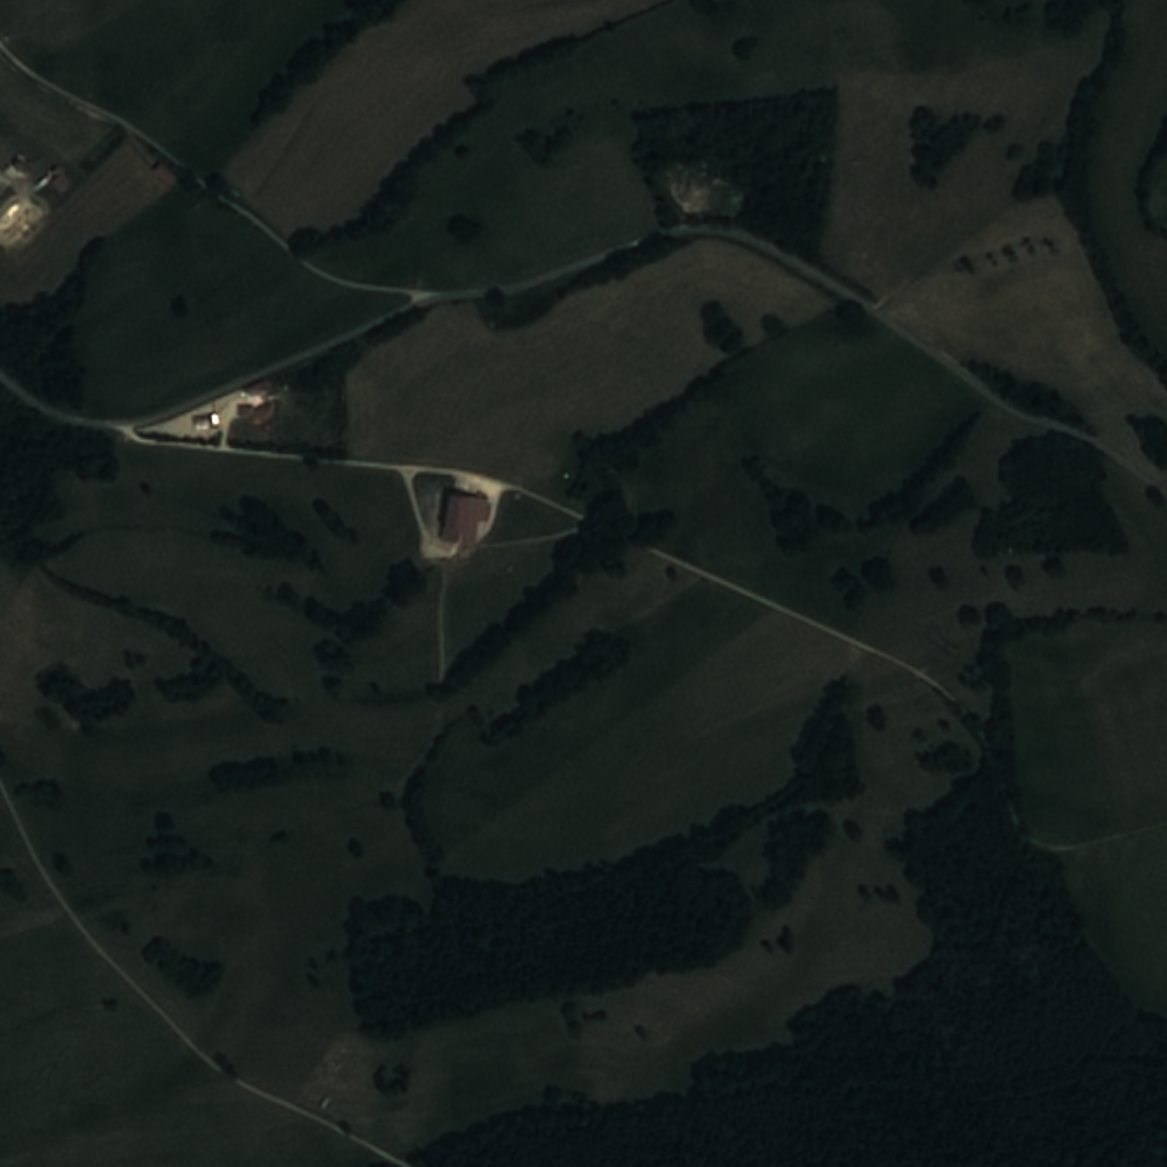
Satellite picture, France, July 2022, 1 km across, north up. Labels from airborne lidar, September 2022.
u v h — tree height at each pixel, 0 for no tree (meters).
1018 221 0
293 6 0
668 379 0
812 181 12
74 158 0
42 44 0
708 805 0
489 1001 7
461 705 0
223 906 0
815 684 0
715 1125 21
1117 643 0
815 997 0
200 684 11
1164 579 0
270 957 0
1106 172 0
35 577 0
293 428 0
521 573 0
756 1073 18
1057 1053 28
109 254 0
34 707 0
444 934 24
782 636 0
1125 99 0
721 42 0
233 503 0
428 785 9
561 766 0
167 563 0
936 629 0
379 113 0
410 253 0
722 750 0
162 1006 0
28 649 0
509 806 0
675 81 0
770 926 0
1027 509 13
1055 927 16
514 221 0
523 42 0
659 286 0
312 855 0
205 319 0
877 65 0
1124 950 0
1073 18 7
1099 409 0
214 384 0
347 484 0
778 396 0
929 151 15
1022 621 12
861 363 0
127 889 0
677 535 0
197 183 14
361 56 0
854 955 0
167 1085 0
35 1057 0
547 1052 0
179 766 0
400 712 0
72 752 0
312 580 0
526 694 14
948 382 0
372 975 15
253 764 8
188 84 0
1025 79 0
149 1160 0
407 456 0
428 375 0
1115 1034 32
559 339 0
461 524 0
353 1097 0
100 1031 0
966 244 0
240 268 0
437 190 0
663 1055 0
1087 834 0
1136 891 0
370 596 0
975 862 18
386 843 0
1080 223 12
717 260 0
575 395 0
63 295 11
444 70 0
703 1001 0
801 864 9
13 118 0
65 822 0
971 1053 34
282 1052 0
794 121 9
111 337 0
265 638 0
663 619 0
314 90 0
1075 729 0
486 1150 22
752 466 12
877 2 0
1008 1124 22
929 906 12
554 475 0
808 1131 25
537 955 18
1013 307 0
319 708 0
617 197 0
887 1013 17
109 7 0
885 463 0
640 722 0
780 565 0
